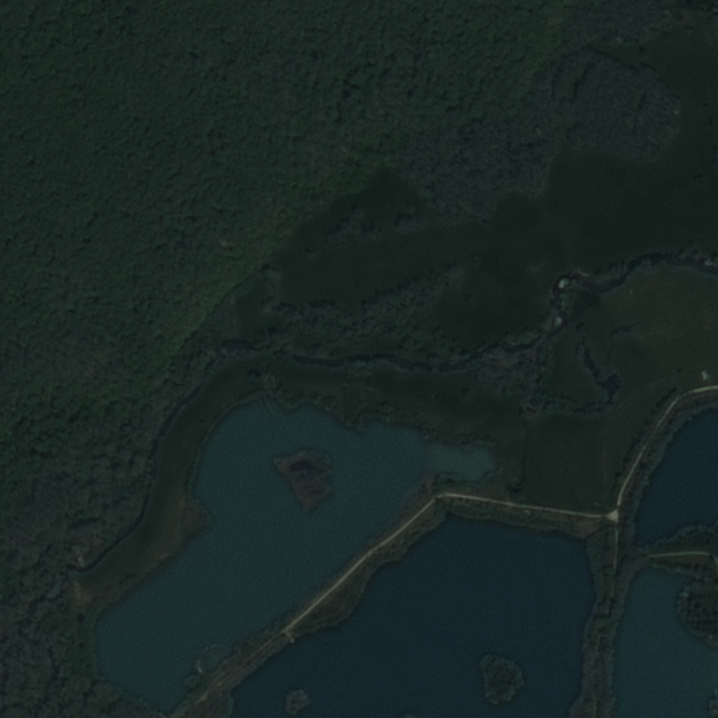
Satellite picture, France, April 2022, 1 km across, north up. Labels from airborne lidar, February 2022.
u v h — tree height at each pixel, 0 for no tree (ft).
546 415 32
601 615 22
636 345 0
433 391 0
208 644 0
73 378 88
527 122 99
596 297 0
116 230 82
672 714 0
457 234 0
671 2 64
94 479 24
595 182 0
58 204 69
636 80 67
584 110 68
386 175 0
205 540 0
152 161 77
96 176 76
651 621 0
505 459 0
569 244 0
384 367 32
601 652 29
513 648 0
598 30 70
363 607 0
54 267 83
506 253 0
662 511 0
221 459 0
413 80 92
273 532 0
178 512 0
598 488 0
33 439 83
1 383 103
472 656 0
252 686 0
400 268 0
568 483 0
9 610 64
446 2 72
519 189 71
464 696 0
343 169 103
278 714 0
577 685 0
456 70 79
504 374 64
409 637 0
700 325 0
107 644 0
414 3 76
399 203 0
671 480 0
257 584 0
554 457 0
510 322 0
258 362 0
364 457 0
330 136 101
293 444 0
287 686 0
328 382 0
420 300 49
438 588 0
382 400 0
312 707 0
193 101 75
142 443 58
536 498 0
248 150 87
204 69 92
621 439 0
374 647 0
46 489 70
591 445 0
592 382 0
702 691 0
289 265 0
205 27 79
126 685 0
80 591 0
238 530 0
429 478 0
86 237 69
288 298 0
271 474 0
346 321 46
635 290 0
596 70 63
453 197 87
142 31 82
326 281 0
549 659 0
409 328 28
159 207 83
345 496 0
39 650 62
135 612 0
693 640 0
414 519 0
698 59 0
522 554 0
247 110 81
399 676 0
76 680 67
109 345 94
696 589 48
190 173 85
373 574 0
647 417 0
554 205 0
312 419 0
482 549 0
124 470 59
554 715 0
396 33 88
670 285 0
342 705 0
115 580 0
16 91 60
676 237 0
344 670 0
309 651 0
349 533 0
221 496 0
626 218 0
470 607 0
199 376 41
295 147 81
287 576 0
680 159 0
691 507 0
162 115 74
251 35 83
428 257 0
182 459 0
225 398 0
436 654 0
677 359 0
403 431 0
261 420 0
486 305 0
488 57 79
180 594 0
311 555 0
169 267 78
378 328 24
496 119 86
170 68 93
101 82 75
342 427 0
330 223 0
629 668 0
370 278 0
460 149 87
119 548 0
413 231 63
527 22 80
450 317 0
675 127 60
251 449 0
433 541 0
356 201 0
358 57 85
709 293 0
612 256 0
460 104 78
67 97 68
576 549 0
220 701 0
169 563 0
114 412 79
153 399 71
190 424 0
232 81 85
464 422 0
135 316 90
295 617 0
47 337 106
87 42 82
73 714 66
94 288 76
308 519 0
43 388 73
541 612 0
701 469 0
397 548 0
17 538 70
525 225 0
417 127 88
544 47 75
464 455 0
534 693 0
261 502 0
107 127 75
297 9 73
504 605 0
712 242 0
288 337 57
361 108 89
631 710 0
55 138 79
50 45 72
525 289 0
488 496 0
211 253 79
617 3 81
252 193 76
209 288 73
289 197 73
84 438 77
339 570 0
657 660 0
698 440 0
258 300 0
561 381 0
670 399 29
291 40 78
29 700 66
